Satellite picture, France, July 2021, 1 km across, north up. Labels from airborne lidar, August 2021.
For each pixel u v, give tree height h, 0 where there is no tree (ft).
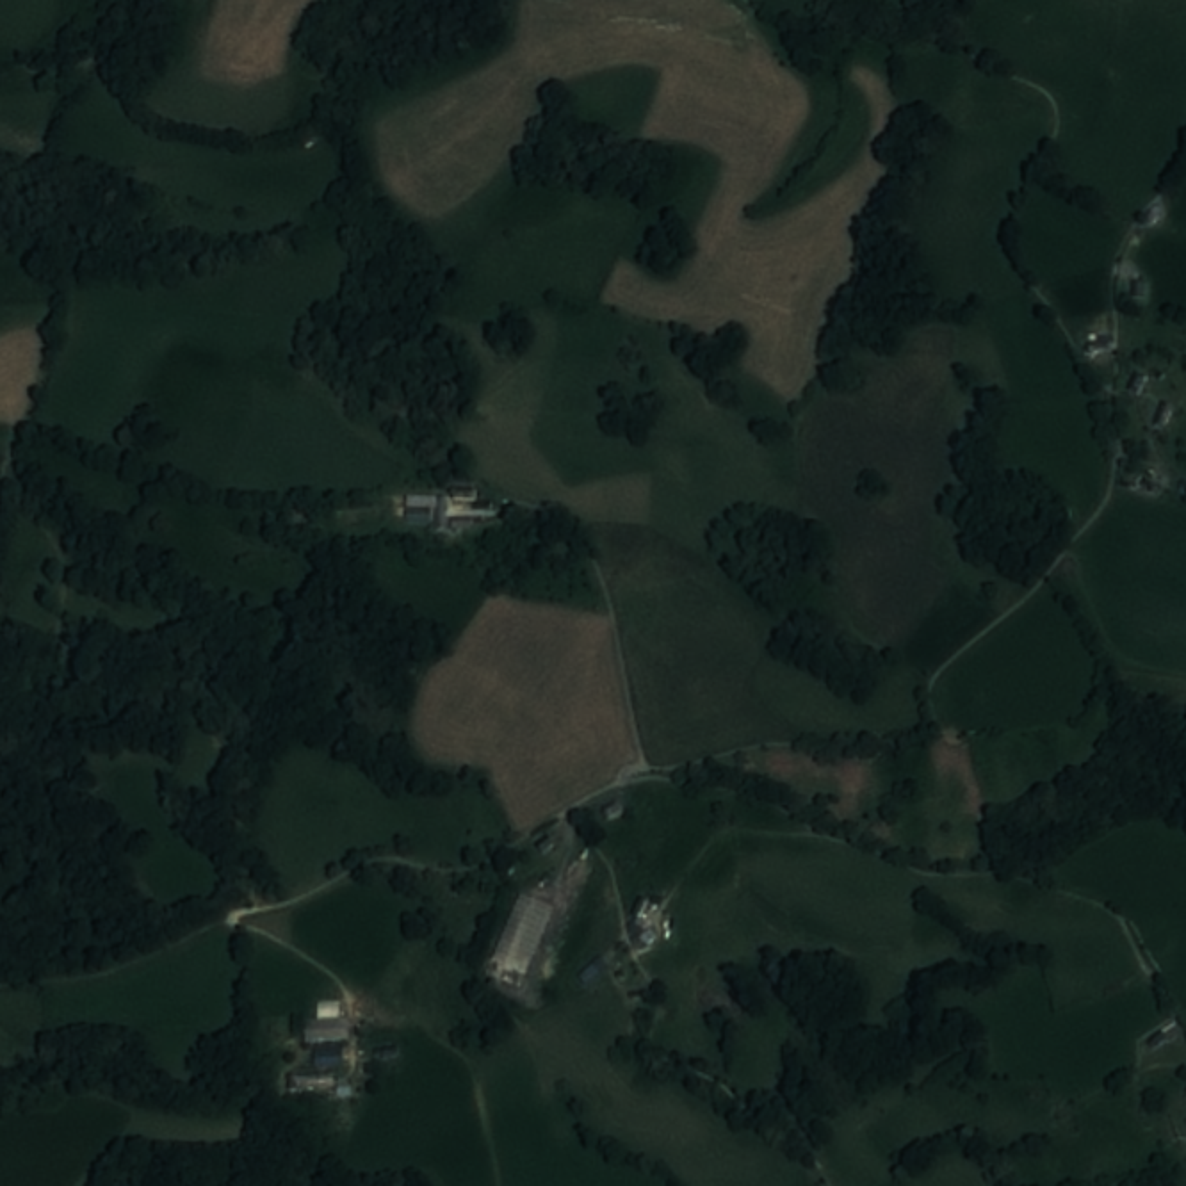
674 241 67
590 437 0
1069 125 0
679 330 54
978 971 68
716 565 0
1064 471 0
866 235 98
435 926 52
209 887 0
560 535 90
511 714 0
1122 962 0
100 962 62
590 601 0
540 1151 0
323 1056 0
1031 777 0
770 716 0
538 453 0
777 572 64
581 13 0
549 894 0
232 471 0
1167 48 0
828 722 0
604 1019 0
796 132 0
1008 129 0
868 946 0
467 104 0
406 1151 0
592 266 0
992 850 72
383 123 0
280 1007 0
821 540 101
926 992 101
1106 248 0
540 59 0
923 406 0
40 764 85
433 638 24
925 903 59
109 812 82
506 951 0
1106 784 67
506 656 0
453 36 47
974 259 0
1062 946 0
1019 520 69
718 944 0
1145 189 0
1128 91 0
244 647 86
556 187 74
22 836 60
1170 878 0
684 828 0
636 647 0
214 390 0
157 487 48
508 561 29
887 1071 24
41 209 72
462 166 0
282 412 0
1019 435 0
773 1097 60
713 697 0
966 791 0
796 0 0
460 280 68
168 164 0
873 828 25
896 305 76
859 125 0
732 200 0
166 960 0
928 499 0
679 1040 0
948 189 0
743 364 0
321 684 107
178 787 67
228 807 73
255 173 0
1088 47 0
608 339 0
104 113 0
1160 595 0
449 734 0
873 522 0
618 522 0
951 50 80
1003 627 0
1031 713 0
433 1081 0
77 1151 0
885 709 0
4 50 0
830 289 0
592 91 0
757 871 0
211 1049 68
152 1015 0
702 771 52
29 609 0
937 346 0
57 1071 75
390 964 0
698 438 0
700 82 0
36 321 0
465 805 0
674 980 0
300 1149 99
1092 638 36
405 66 74
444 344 118
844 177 0
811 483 0
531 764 0
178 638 91
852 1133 0
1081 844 44
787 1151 27
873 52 0
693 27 0
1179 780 66
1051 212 0
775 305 0
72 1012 0
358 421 42
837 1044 101
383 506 0
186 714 83
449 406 38
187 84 0
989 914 0
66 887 55
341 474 0
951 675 0
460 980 0
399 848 33
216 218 0
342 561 85
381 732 75
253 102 0
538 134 62
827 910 0
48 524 41
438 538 21
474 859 73
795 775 0
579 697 0
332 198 40
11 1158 0
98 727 56
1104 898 0
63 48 50
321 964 0
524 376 0
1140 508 0
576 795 0
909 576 0
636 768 0
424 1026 0
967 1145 69
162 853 0
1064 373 0
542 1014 0
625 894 0
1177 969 0
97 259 65
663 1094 0
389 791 49
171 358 0
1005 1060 0
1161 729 73
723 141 0
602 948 0
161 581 124
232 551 0
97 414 0
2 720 86
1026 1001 0
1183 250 0
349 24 45
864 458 0
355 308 73
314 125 41
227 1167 77
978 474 80
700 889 0
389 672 111
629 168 84
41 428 23
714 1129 0
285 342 0
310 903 0
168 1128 0
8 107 0
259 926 0
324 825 0
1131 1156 0
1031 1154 45
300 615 102
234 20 0
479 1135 0
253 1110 55
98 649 95
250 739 53
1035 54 0
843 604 0
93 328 0
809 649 74
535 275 0
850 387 49
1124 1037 0
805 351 0
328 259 0
